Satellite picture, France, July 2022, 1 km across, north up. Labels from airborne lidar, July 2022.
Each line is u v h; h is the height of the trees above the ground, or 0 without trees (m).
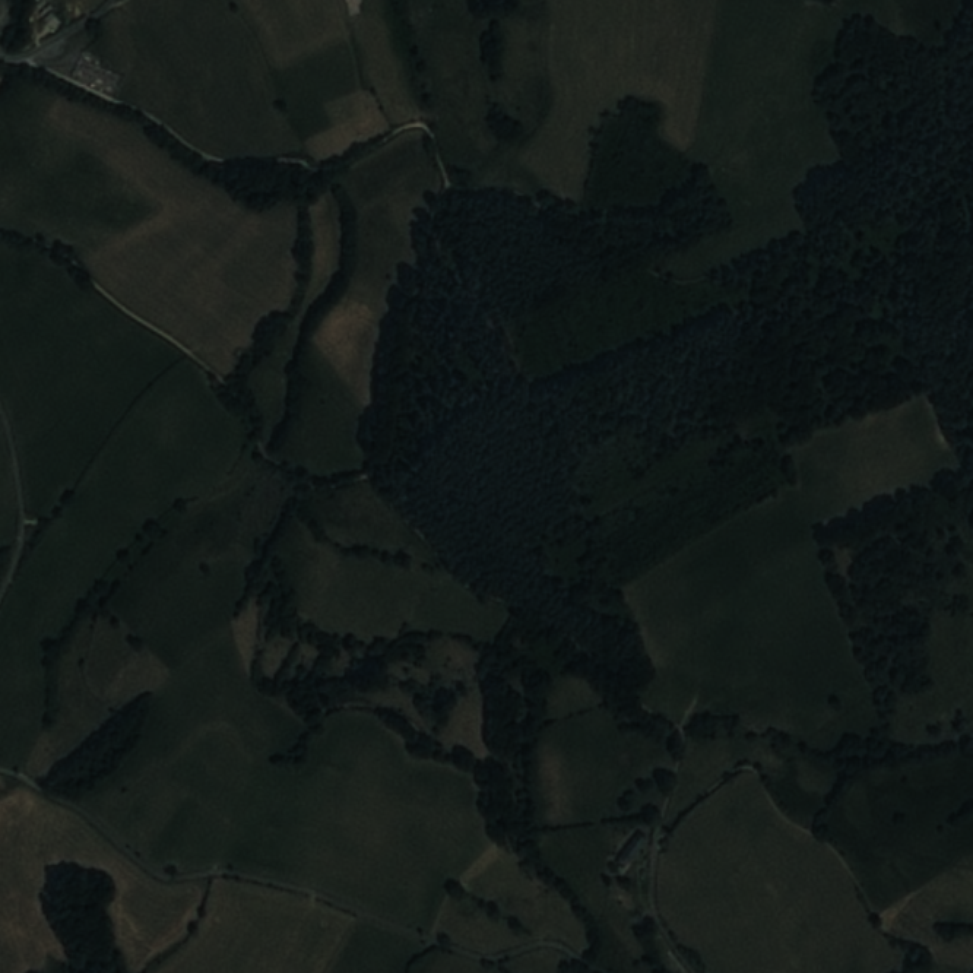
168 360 0
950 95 16
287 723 0
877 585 21
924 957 22
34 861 0
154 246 0
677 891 0
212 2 0
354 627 0
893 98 7
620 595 12
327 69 0
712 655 0
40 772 0
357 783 0
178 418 0
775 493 11
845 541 13
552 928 0
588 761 0
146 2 0
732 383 19
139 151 0
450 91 0
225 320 0
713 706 0
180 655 0
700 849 0
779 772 0
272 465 10
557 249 24
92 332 0
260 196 23
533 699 18
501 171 0
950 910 0
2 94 8
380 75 0
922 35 0
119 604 0
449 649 0
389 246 0
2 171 0
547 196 13
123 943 0
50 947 0
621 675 22
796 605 0
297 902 0
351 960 0
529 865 10
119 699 0
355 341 0
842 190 28
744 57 0
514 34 0
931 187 6
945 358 26
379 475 22
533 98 0
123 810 0
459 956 0
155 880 0
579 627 21
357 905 0
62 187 0
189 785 0
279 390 0
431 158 7
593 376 23
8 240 18
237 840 0
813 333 23
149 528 14
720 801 0
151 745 0
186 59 0
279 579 13
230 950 0
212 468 0
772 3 0
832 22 0
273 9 0
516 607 13
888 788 0
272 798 0
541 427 23
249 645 0
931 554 12
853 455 0
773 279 15
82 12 0
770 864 0
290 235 0
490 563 21
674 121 0
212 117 0
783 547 0
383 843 0
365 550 8
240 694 0
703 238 13
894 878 0
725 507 5
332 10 0
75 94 12
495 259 21
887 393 20
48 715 9
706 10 0
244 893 0
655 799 0
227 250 0
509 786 24
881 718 12
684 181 0
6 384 0
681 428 13
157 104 0
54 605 0
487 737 15
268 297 0
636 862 0
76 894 28
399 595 0
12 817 0
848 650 0
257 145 0
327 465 0
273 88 0
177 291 0
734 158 0
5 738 0
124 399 0
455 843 0
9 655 0
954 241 23
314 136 0
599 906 0
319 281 0
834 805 13
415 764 0
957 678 0
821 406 17
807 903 0
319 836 0
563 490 20
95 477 0
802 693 0
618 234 19
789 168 0
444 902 0
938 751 13
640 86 0
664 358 24
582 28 0
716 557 0
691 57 0
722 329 24
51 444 0
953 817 7
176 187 0
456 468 21
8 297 0
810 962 0
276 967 0
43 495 0
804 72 0
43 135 0
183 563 0
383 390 25
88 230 0
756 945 0
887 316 15
